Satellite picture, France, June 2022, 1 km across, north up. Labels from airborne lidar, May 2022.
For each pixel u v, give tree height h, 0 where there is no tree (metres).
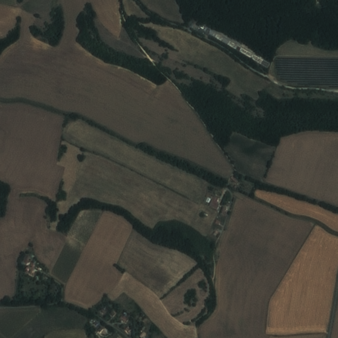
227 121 17
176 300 0
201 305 0
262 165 0
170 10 0
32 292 10
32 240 0
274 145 12
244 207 0
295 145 0
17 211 0
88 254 0
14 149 0
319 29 12
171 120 0
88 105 0
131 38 6
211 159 0
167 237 15
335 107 16
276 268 0
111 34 0
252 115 7
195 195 0
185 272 0
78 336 0
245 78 0
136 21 10
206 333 0
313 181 0
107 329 8
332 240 0
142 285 0
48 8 0
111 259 0
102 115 0
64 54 0
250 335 0
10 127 0
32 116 0
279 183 0
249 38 21
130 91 0
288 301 0
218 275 0
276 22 21
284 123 13
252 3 18
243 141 0
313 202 16
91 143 0
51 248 0
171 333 0
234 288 0
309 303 0
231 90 0
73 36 0
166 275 0
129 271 0
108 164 0
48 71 0
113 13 0
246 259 0
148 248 0
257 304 0
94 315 18
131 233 0
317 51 0
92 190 0
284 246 0
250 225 0
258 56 11
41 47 0
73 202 0
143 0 0
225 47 9
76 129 0
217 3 21
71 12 0
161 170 0
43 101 0
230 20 19
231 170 0
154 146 0
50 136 0
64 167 0
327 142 0
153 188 0
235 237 0
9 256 0
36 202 0
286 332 0
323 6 15
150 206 0
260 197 0
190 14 17
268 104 17
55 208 16
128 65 8
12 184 0
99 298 0
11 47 0
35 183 0
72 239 0
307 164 0
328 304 0
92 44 6
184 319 0
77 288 0
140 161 0
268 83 0
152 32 10
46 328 0
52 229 0
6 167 0
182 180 0
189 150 0
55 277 0
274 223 0
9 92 0
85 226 0
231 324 0
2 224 0
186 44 0
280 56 0
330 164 0
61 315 0
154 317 0
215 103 16
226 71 0
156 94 0
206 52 0
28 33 0
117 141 0
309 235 0
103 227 0
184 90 13
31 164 0
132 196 0
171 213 0
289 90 11
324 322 0
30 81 0
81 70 0
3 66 0
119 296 0
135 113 0
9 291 0
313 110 14
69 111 0
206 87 13
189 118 0
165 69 10
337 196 0
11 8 0
